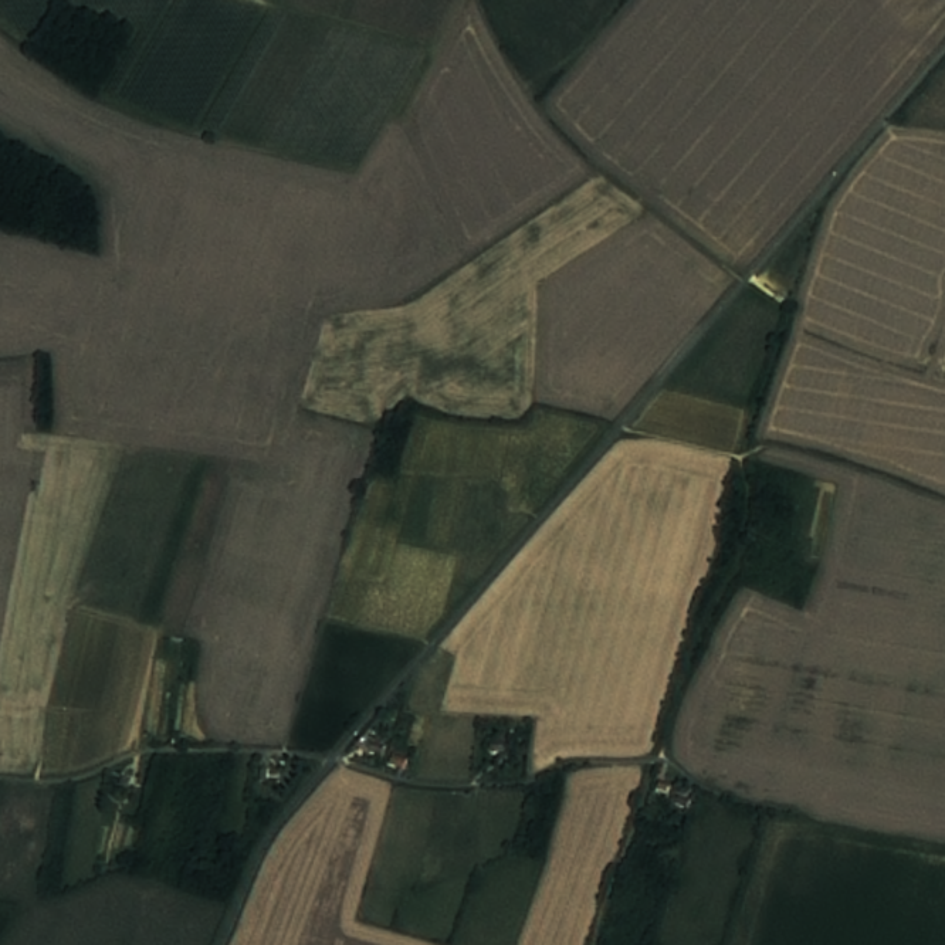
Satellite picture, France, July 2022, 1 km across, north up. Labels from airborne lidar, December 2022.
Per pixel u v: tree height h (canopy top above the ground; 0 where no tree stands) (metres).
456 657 0
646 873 6
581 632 0
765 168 0
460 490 0
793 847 0
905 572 0
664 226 0
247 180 0
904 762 0
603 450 0
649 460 0
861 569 0
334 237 0
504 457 0
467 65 0
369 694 0
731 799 8
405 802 0
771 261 0
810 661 0
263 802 12
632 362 0
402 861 0
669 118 0
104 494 0
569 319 0
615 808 0
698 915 0
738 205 0
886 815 0
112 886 0
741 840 0
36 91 0
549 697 0
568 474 0
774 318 0
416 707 0
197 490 0
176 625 0
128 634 0
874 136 0
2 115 0
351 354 0
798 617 0
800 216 0
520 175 0
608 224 0
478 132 0
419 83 0
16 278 0
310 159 0
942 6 0
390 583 0
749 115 0
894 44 0
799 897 0
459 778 0
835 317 0
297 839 0
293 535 0
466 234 0
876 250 0
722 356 0
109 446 0
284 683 0
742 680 0
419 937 0
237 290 0
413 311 0
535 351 0
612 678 0
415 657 0
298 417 0
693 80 0
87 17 18
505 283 0
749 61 0
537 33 0
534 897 0
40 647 0
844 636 0
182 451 0
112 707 0
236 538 0
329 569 0
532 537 0
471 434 0
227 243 0
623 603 0
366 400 0
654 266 0
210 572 0
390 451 13
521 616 0
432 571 0
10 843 0
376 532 0
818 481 0
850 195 0
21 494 0
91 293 0
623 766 0
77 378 0
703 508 0
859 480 0
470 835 0
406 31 0
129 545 0
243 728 0
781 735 0
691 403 0
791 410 0
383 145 0
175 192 0
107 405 0
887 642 0
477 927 0
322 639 0
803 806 0
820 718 0
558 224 0
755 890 0
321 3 0
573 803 0
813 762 0
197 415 0
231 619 0
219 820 6
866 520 0
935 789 0
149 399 0
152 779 11
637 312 0
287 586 0
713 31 0
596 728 0
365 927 0
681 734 0
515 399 0
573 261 0
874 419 0
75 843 0
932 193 0
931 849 0
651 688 0
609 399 0
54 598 0
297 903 0
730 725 0
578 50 0
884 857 0
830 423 0
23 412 0
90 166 0
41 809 0
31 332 0
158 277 0
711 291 0
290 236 0
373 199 0
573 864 0
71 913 0
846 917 0
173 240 0
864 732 0
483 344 0
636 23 0
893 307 0
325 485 0
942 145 0
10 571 0
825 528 0
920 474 0
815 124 0
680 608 0
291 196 0
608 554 0
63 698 0
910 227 0
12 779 0
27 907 0
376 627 0
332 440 0
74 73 13
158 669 0
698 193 0
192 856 10
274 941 0
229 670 0
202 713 0
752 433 11
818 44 0
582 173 0
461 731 0
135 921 0
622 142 0
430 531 0
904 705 0
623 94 0
